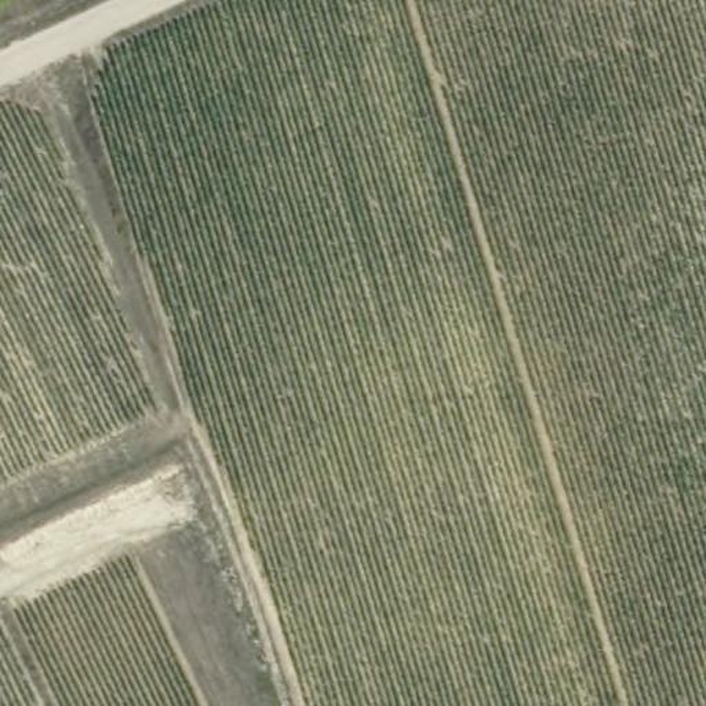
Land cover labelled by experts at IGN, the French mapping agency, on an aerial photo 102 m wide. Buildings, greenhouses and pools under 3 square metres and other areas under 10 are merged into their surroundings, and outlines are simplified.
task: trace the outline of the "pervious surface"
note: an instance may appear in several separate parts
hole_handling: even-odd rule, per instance
[[[44,28],[0,50],[0,88],[22,77],[30,77],[69,55],[102,58],[105,41],[113,33],[132,28],[149,17],[157,17],[185,0],[105,0],[88,11],[80,11],[52,28]]]
[[[146,480],[116,488],[85,507],[74,507],[0,549],[0,596],[6,596],[33,571],[52,568],[61,557],[72,552],[83,552],[88,546],[110,541],[119,546],[143,543],[163,535],[165,530],[177,530],[182,521],[190,521],[193,507],[188,502],[163,499],[168,494],[168,480],[179,472],[177,463],[165,463]]]

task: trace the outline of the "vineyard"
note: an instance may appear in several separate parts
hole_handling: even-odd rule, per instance
[[[149,17],[132,28],[113,33],[105,41],[102,58],[102,94],[85,97],[88,116],[97,127],[102,149],[102,154],[91,163],[102,182],[102,193],[108,199],[116,232],[121,237],[135,237],[138,251],[146,256],[154,273],[160,301],[171,314],[177,359],[182,367],[190,408],[199,425],[207,430],[218,466],[229,477],[251,549],[259,557],[262,576],[268,582],[306,706],[706,706],[706,0],[185,0],[157,17]]]
[[[127,320],[121,306],[113,303],[116,298],[102,276],[102,254],[88,226],[88,218],[74,199],[74,190],[63,185],[61,152],[50,132],[50,124],[44,121],[44,113],[28,110],[8,99],[0,102],[0,494],[11,491],[14,485],[25,485],[36,474],[52,472],[61,463],[85,458],[108,447],[113,438],[127,433],[127,419],[141,416],[149,405],[154,405],[154,397],[143,383],[138,361],[124,339]]]
[[[132,557],[110,557],[97,571],[50,587],[44,596],[25,601],[22,607],[11,607],[6,596],[0,596],[0,706],[199,706],[193,687],[185,678],[177,654],[165,637],[165,629],[138,579]]]

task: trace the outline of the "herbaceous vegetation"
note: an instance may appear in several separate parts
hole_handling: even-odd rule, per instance
[[[44,28],[52,28],[80,11],[88,11],[105,0],[0,0],[0,50]]]
[[[97,571],[110,557],[132,557],[138,579],[165,629],[165,637],[177,654],[185,678],[193,687],[199,706],[306,706],[268,582],[262,576],[259,557],[251,549],[229,477],[218,466],[207,430],[199,425],[190,408],[182,367],[177,359],[171,314],[160,301],[154,273],[146,256],[138,251],[135,237],[121,237],[116,232],[108,199],[102,193],[102,182],[91,163],[102,154],[102,149],[97,127],[88,116],[85,97],[102,94],[102,58],[69,55],[30,77],[22,77],[0,88],[0,102],[8,99],[28,110],[44,113],[44,121],[50,124],[50,132],[61,152],[63,185],[74,190],[74,199],[88,218],[88,226],[102,254],[102,276],[116,298],[113,303],[121,306],[127,320],[124,339],[138,361],[143,383],[154,397],[154,405],[149,405],[141,416],[127,419],[127,433],[113,438],[108,447],[85,458],[61,463],[52,472],[36,474],[25,485],[14,485],[11,491],[0,494],[0,549],[74,507],[85,507],[116,488],[146,480],[165,463],[177,463],[179,472],[168,480],[168,494],[163,499],[188,502],[193,507],[190,521],[182,521],[177,530],[165,530],[163,535],[143,543],[119,546],[110,541],[88,546],[83,552],[72,552],[61,557],[52,568],[33,571],[6,596],[11,607],[22,607],[25,601],[44,596],[50,587]]]

